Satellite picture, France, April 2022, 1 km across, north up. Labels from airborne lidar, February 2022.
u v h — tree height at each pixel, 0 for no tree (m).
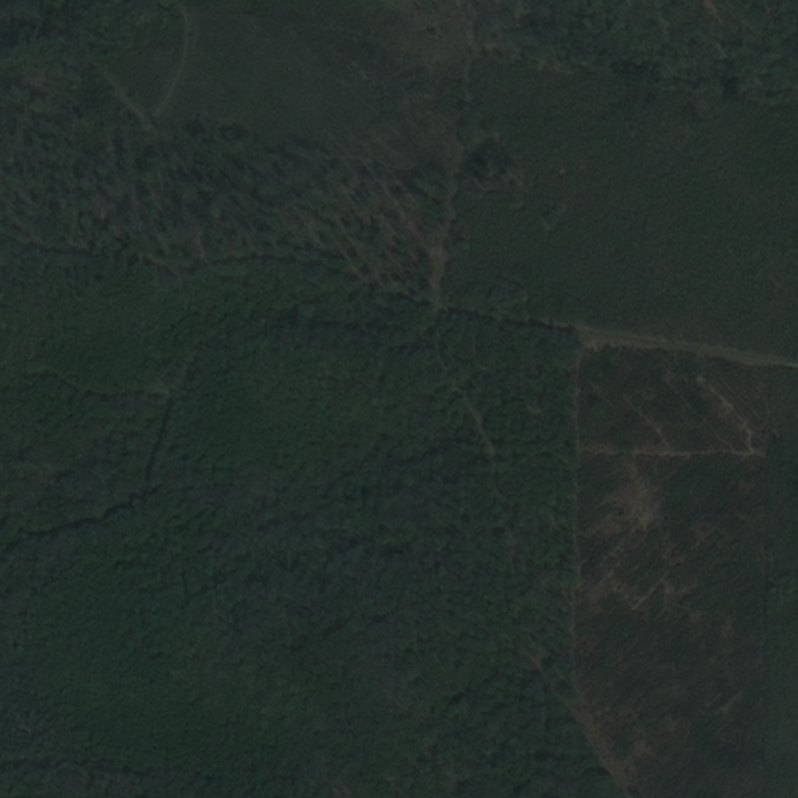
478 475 25
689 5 24
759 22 28
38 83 0
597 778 27
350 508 27
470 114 19
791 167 10
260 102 0
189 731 21
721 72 23
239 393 20
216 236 32
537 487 28
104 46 7
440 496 32
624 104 9
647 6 26
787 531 13
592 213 10
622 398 6
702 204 12
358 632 28
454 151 0
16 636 22
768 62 26
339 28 0
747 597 7
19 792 29
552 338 24
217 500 25
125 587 21
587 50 26
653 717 7
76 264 24
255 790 23
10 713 9
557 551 25
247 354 23
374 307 29
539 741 28
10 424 27
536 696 29
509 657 30
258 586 28
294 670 26
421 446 28
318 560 27
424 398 28
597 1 28
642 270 10
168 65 0
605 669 6
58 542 26
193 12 0
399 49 0
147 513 23
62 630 16
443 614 26
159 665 23
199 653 22
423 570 26
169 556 24
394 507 30
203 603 27
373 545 32
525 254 11
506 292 21
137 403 24
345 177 30
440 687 29
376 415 26
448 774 33
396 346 28
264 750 26
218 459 18
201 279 27
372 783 29
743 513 7
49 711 16
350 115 0
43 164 35
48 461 32
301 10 0
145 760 20
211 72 0
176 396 14
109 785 29
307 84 0
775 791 12
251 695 24
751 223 12
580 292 10
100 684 19
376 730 28
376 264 0
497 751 27
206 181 0
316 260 23
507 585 29
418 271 26
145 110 0
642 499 0
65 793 30
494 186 19
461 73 0
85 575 18
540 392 26
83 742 24
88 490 31
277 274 25
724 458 6
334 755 28
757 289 13
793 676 14
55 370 18
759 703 7
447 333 26
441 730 31
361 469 27
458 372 27
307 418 21
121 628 23
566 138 12
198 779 25
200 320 25
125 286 26
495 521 27
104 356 22
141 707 18
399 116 0
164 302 24
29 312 26
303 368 25
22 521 25
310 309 30
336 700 29
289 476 25
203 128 0
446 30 0
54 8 15
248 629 29
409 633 29
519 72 13
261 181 25
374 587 29
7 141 35
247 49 0
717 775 6
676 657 6
